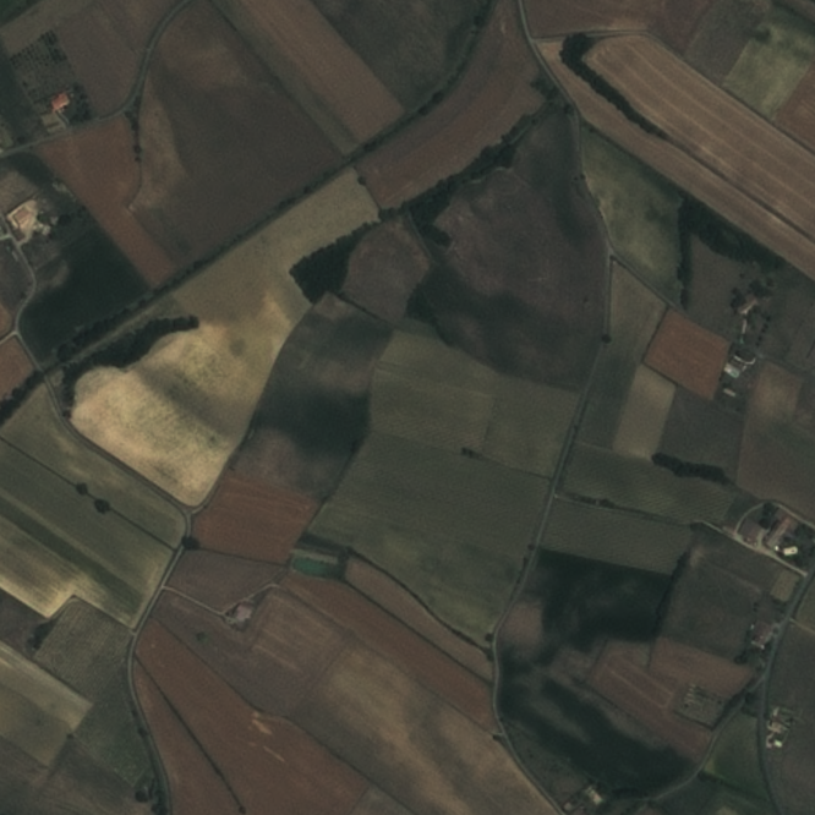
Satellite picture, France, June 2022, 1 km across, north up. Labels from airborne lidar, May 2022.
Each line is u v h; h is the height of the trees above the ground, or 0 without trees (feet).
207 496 0
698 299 0
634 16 0
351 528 0
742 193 0
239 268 0
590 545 0
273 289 0
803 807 0
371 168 0
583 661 0
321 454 0
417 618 0
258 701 0
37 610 0
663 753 0
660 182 0
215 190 0
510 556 0
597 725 0
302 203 0
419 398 0
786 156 0
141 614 0
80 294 0
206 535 0
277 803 0
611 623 0
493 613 0
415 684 0
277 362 0
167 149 0
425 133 0
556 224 0
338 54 0
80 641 0
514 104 0
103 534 0
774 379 0
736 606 0
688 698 0
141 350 37
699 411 0
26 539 0
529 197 0
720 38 0
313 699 0
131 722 0
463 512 0
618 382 0
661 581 0
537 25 0
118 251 0
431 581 0
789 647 0
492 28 0
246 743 0
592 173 0
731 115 0
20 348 0
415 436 0
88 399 0
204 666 0
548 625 0
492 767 0
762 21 0
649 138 0
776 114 0
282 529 0
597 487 0
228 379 0
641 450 0
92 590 0
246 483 0
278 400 0
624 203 0
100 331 48
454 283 0
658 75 0
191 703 0
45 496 0
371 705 0
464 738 0
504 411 0
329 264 47
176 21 0
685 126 0
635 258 0
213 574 0
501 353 0
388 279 0
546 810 0
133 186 0
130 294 0
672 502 0
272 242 0
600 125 0
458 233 0
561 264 0
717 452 0
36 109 0
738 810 0
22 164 0
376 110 0
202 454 0
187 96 0
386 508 0
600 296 0
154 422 0
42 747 0
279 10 0
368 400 0
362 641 0
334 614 0
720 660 0
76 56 0
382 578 0
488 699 0
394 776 0
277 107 0
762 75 0
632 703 0
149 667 0
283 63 0
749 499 0
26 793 0
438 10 0
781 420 0
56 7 0
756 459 0
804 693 0
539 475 0
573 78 0
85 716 0
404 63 0
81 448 0
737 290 28
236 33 0
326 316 0
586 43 25
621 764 0
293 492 0
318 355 0
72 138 0
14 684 0
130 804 0
